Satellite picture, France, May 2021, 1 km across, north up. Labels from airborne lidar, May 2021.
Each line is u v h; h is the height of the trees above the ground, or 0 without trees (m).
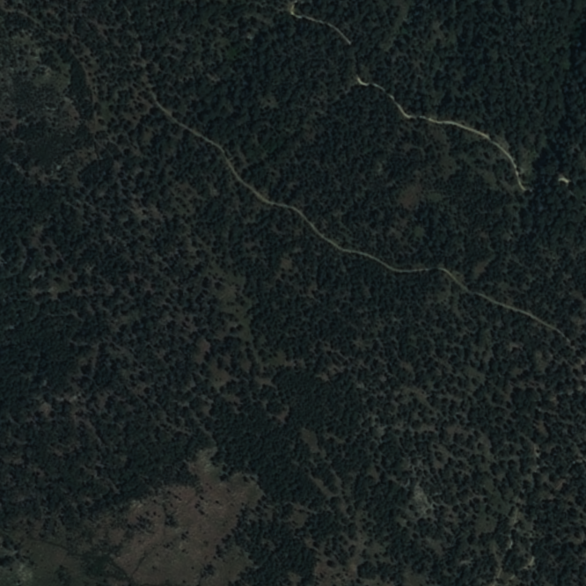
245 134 30
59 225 29
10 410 24
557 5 32
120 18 22
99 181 21
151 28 22
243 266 11
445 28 21
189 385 18
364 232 11
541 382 25
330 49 20
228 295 0
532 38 29
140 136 20
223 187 18
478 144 13
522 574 13
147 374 19
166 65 30
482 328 21
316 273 16
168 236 8
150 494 25
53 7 15
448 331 18
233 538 20
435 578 20
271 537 20
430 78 23
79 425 25
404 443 19
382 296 12
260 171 24
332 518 25
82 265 9
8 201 27
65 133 6
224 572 0
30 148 7
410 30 24
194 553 0
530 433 35
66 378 26
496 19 33
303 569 26
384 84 24
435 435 25
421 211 8
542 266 11
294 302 15
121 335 16
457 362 23
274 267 20
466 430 9
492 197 20
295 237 13
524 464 24
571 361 26
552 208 27
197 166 23
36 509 22
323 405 23
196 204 15
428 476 14
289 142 24
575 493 31
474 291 17
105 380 17
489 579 10
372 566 22
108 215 23
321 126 13
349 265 18
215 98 30
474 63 31
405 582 24
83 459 33
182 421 27
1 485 29
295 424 21
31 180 26
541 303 9
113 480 26
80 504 28
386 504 25
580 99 23
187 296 26
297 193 23
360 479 21
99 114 11
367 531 16
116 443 24
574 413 20
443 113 25
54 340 28
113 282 9
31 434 30
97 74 13
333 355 27
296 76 20
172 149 22
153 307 22
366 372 19
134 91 21
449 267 15
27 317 20
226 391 21
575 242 18
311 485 21
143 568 0
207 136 15
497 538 15
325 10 32
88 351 25
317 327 17
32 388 20
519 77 25
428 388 20
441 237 23
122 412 26
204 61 25
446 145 8
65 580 20
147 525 25
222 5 29
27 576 0
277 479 26
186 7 29
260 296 15
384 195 20
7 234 23
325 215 25
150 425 29
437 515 17
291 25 17
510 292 9
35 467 33
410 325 13
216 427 19
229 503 0
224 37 22
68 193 20
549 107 35
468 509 26
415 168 16
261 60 30
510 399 0
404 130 17
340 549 20
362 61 23
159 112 26
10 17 10
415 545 25
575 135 26
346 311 16
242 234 17
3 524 21
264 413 22
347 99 20
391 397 19
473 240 10
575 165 18
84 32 22
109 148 11
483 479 27
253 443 25
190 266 15
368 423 19
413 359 21
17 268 13
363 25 22
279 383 21
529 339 26
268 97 17
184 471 24
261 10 22
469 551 11
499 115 28
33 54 8
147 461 26
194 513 0
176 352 22
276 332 12
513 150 15
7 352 20
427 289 14
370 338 8
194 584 0
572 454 32
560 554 28
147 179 23
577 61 33
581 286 14
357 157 6
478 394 21
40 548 0
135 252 26
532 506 15
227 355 24
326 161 27
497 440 25
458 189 11
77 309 23
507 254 19
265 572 23
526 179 21
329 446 20
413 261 15
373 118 20
